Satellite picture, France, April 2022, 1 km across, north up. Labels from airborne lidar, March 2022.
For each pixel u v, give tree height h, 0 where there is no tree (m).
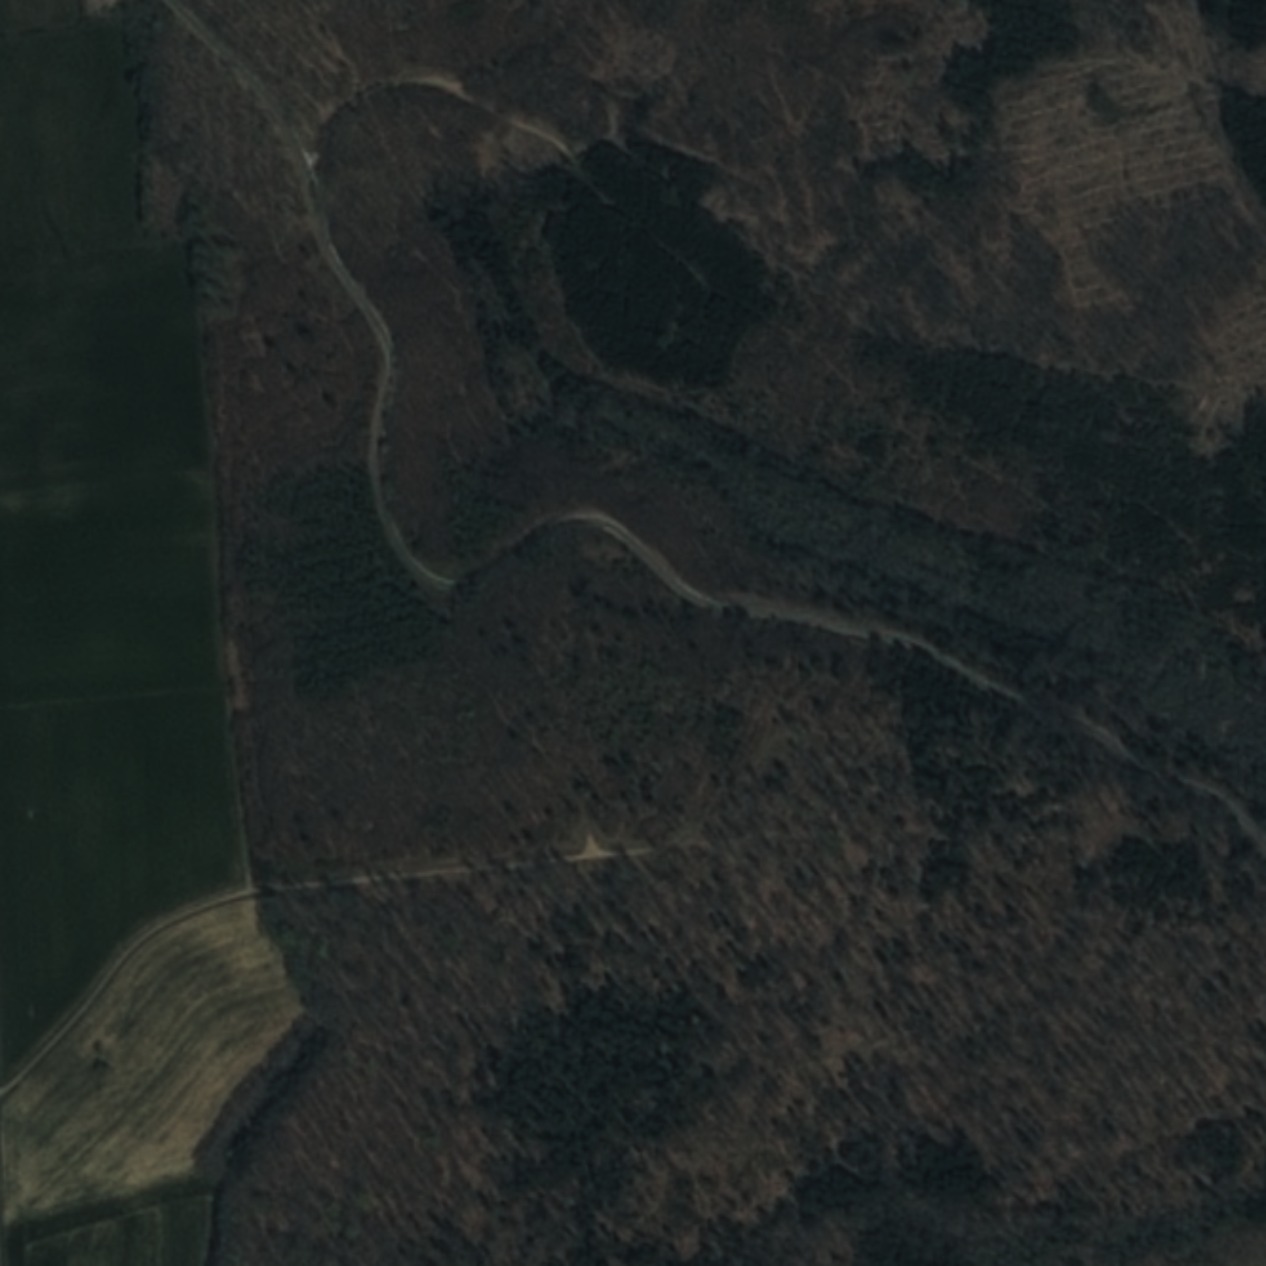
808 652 11
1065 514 6
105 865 0
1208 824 30
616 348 16
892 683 8
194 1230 0
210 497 0
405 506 18
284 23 0
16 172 0
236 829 0
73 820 0
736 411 10
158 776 0
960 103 19
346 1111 31
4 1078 0
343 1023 33
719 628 9
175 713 0
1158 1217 21
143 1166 0
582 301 11
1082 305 0
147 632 0
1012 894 27
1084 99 0
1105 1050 28
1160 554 6
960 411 14
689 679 11
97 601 0
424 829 12
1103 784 33
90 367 0
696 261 11
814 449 6
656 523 12
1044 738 10
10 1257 0
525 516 17
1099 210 0
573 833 0
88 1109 0
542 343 16
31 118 0
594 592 20
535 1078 31
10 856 0
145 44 17
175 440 0
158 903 0
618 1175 28
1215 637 14
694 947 31
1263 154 16
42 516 0
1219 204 24
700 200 16
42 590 0
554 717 11
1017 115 0
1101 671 30
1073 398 8
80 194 0
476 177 22
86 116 0
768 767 0
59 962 0
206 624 0
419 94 15
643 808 25
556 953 25
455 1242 41
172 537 0
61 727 0
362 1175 32
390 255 9
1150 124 0
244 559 8
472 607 13
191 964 0
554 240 15
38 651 0
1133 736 31
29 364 0
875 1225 22
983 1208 23
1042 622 17
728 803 0
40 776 0
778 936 29
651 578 9
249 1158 24
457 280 12
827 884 29
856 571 11
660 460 14
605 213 14
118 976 0
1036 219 0
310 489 13
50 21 0
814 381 8
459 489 18
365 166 23
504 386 22
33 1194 0
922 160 22
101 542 0
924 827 30
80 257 0
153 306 0
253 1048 0
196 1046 0
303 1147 31
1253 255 22
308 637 14
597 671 8
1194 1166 20
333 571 17
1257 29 16
